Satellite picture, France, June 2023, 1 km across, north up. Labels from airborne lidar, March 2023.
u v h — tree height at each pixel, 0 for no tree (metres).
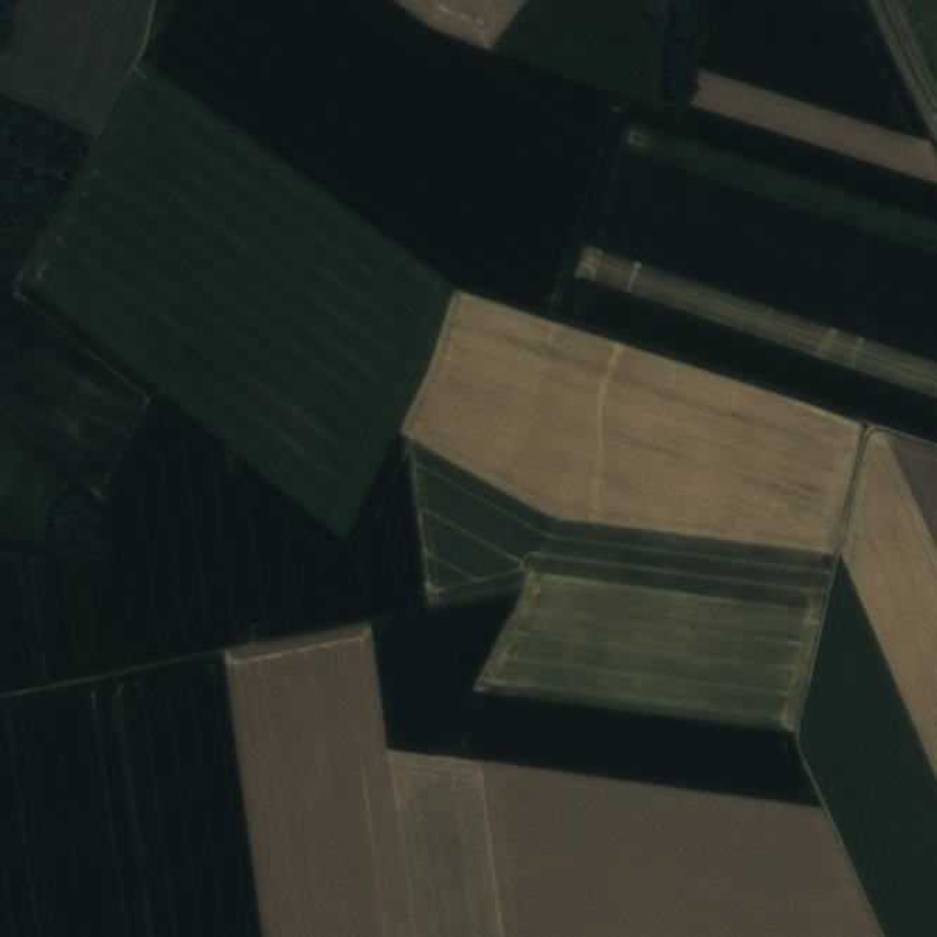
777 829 0
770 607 0
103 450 0
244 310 0
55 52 0
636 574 0
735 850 0
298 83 0
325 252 0
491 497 0
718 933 0
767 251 0
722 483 0
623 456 0
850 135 0
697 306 0
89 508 21
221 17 0
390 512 0
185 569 0
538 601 0
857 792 0
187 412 0
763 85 0
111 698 0
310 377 0
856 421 0
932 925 0
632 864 0
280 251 0
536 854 0
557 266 0
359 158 0
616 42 0
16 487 0
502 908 0
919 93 0
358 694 0
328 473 0
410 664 0
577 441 0
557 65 0
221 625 0
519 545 0
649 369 0
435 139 0
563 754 0
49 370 0
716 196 0
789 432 0
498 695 0
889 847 0
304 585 0
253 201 0
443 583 0
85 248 0
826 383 0
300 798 0
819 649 0
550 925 0
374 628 0
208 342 0
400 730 0
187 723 0
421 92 0
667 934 0
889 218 0
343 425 0
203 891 0
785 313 0
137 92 0
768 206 0
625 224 0
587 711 0
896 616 0
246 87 0
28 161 0
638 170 0
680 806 0
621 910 0
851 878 0
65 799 0
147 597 0
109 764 0
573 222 0
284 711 0
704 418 0
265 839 0
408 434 0
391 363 0
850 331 0
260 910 0
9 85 0
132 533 0
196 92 0
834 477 0
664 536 0
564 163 0
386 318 0
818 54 0
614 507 0
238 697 0
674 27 15
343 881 0
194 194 0
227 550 0
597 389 0
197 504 0
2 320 0
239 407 0
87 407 0
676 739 0
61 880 0
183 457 0
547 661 0
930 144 0
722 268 0
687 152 0
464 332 0
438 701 0
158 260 0
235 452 0
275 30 0
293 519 0
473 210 0
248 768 0
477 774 0
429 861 0
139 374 0
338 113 0
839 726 0
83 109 0
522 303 0
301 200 0
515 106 0
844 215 0
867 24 0
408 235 0
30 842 0
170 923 0
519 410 0
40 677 0
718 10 0
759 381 0
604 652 0
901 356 0
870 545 0
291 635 0
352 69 0
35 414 0
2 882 0
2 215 10
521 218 0
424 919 0
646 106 0
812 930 0
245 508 0
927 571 0
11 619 0
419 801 0
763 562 0
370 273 0
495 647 0
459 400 0
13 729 0
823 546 0
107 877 0
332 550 0
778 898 0
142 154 0
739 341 0
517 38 0
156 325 0
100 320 0
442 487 0
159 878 0
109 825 0
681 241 0
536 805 0
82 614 0
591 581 0
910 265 0
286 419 0
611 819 0
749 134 0
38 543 0
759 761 0
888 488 0
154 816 0
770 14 0
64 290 0
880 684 0
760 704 0
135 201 0
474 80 0
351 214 0
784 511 0
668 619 0
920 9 0
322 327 0
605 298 0
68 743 0
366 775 0
